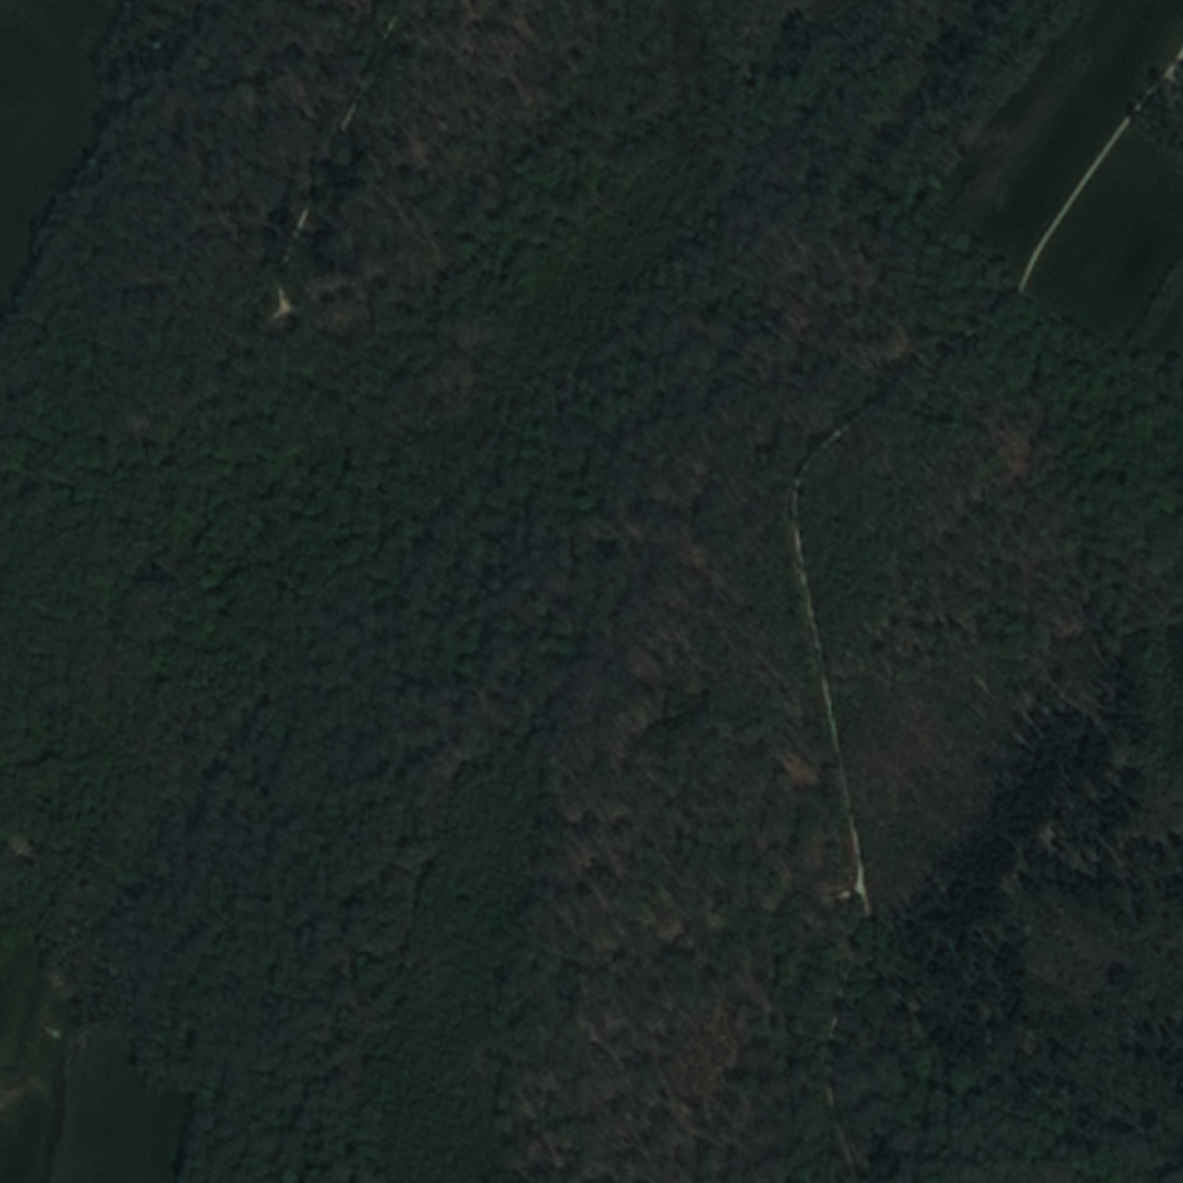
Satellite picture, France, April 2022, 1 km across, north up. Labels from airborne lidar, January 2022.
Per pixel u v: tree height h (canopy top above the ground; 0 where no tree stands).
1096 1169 24
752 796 28
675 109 31
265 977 26
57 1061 0
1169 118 21
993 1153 30
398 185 27
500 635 25
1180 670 11
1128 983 28
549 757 27
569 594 30
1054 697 19
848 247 30
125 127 26
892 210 26
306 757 28
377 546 27
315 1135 21
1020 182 0
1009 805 28
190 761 28
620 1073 23
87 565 24
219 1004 27
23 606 27
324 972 28
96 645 28
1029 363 27
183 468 21
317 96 31
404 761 30
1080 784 29
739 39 12
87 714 29
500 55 29
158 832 22
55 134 0
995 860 27
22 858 33
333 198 16
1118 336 0
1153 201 0
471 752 29
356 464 23
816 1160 29
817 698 23
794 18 0
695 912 28
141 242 30
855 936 26
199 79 31
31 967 0
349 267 22
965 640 28
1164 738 7
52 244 23
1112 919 28
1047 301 0
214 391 29
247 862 30
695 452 29
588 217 28
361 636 32
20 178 0
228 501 23
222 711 28
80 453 27
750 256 28
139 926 33
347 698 22
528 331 17
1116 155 0
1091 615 15
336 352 28
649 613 31
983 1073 26
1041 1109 25
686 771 25
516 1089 26
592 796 27
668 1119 6
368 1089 11
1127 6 0
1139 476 21
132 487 21
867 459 21
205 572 30
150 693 25
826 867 14
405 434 26
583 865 25
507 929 8
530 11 28
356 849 27
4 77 0
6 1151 0
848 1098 32
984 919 29
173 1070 20
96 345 25
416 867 28
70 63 0
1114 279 0
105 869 19
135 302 28
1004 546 27
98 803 26
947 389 29
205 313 28
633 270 7
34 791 28
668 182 11
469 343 26
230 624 24
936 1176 28
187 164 29
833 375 27
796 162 33
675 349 28
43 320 24
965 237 23
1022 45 28
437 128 29
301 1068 25
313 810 16
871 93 33
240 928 24
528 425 30
